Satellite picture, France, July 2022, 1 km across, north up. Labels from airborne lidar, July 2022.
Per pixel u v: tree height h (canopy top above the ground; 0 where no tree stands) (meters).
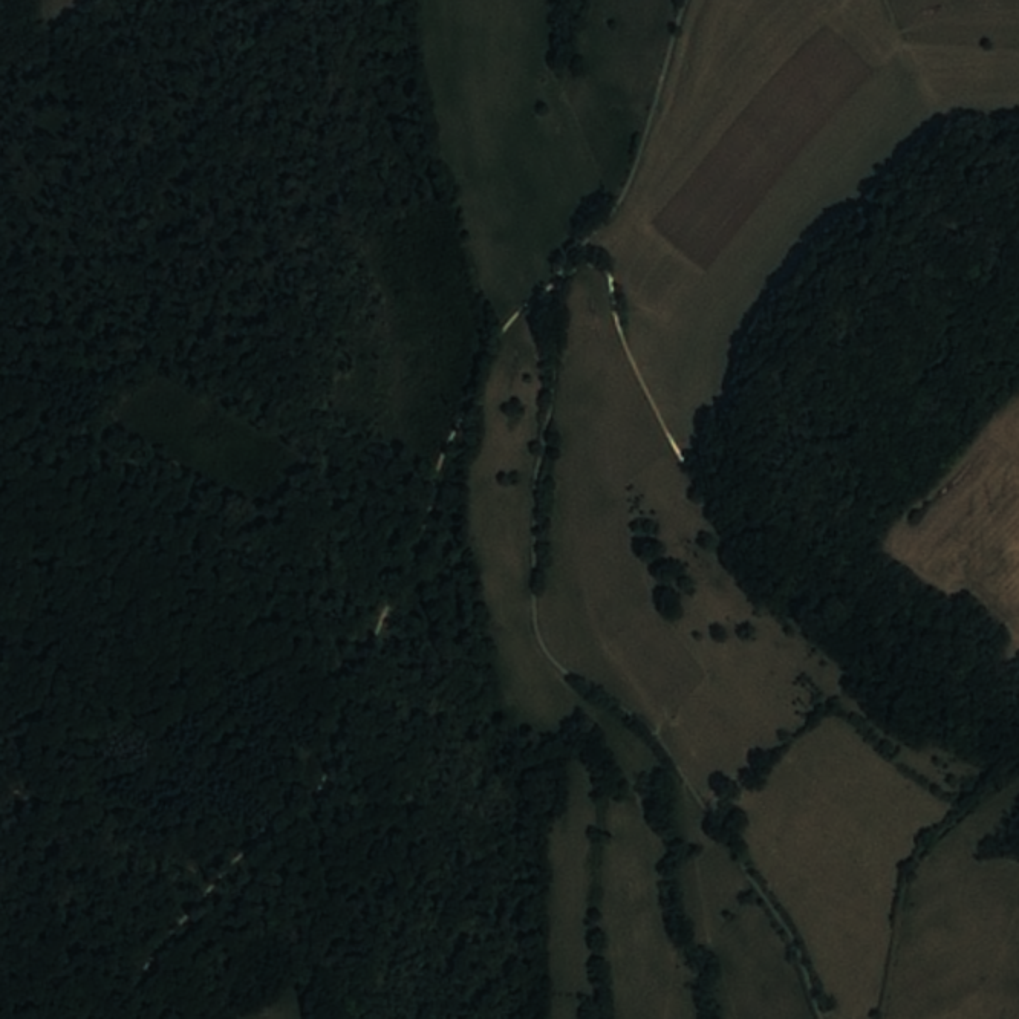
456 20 0
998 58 0
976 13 0
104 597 30
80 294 26
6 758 24
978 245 20
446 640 27
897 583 18
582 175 0
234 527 20
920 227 20
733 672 0
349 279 19
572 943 0
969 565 0
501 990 23
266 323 24
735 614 0
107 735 26
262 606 27
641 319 0
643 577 0
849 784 0
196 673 26
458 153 0
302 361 22
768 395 23
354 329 18
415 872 17
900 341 18
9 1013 24
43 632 26
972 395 22
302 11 25
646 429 0
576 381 0
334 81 21
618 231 0
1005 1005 0
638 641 0
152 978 23
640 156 0
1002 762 21
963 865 0
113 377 22
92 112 23
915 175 25
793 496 19
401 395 0
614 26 10
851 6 0
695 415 0
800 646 0
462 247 7
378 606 19
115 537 27
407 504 26
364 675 19
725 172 0
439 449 6
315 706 25
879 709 24
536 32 0
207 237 20
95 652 23
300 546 23
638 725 17
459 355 7
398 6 26
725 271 0
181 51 20
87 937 25
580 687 23
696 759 0
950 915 0
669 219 0
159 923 23
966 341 18
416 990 12
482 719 31
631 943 0
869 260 28
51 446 25
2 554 26
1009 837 11
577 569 0
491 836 24
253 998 22
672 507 0
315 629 24
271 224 21
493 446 0
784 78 0
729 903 0
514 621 0
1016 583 0
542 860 28
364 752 25
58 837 23
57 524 22
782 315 29
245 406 22
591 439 0
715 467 27
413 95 28
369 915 22
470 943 18
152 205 20
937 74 0
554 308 30
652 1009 0
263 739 21
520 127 0
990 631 20
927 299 18
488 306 15
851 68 0
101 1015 21
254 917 24
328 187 21
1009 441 0
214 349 23
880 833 0
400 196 29
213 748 23
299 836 28
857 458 21
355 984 21
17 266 25
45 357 29
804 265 26
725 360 0
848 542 21
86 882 23
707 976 22
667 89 0
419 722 20
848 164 0
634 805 0
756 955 0
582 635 0
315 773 0
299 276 18
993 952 0
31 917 25
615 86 0
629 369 0
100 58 26
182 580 29
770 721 0
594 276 0
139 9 22
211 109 21
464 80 0
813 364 17
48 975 25
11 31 19
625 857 0
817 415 17
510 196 0
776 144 0
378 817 29
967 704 24
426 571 30
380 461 25
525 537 0
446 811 19
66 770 22
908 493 22
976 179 25
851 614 18
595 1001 11
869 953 0
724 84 0
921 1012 0
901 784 0
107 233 23
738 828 12
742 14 0
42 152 27
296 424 22
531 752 31
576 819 0
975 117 19
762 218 0
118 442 25
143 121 23
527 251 0
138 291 25
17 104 26
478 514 0
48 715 20
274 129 18
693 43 0
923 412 22
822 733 0
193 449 0
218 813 16
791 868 0
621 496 0
